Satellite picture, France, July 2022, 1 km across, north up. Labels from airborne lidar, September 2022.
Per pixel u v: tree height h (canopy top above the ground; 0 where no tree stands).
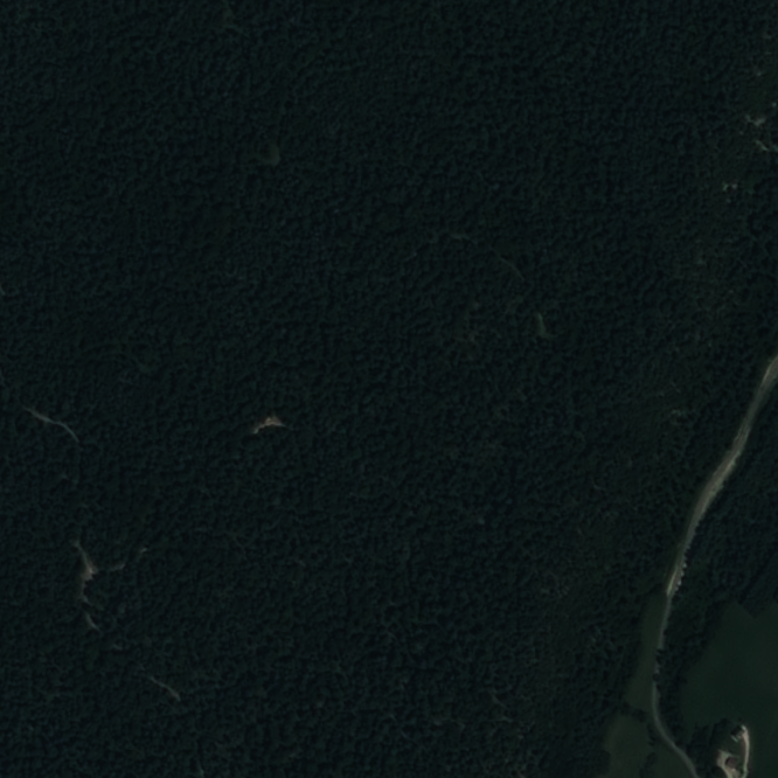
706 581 6
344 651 19
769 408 11
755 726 0
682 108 13
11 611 22
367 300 20
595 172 14
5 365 10
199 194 26
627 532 28
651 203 13
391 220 21
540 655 20
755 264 19
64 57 6
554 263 18
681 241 12
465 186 15
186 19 21
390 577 22
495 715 19
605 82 20
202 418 11
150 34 16
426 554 14
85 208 12
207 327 23
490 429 18
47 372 11
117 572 9
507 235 21
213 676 20
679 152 18
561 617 12
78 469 16
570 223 13
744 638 0
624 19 21
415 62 15
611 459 18
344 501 22
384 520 21
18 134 26
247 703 17
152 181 9
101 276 26
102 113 18
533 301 24
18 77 24
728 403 14
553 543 17
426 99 23
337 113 16
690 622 9
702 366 15
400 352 19
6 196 20
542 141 19
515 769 22
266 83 24
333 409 22
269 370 25
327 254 22
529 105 23
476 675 21
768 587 18
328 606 14
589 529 14
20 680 20
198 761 14
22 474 14
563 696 17
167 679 10
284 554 14
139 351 8
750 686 0
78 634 22
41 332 17
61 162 20
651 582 6
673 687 9
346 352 11
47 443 23
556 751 32
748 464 8
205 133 16
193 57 19
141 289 24
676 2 21
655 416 13
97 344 19
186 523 23
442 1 19
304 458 22
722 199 13
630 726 0
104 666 24
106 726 16
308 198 22
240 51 19
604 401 21
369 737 17
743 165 13
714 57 8
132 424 19
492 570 21
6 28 22
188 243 23
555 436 22
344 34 20
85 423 26
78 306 14
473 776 14
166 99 18
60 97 19
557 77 19
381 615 15
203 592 19
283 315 16
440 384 20
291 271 24
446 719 16
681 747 17
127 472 25
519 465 24
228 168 29
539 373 12
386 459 27
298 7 17
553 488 20
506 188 28
